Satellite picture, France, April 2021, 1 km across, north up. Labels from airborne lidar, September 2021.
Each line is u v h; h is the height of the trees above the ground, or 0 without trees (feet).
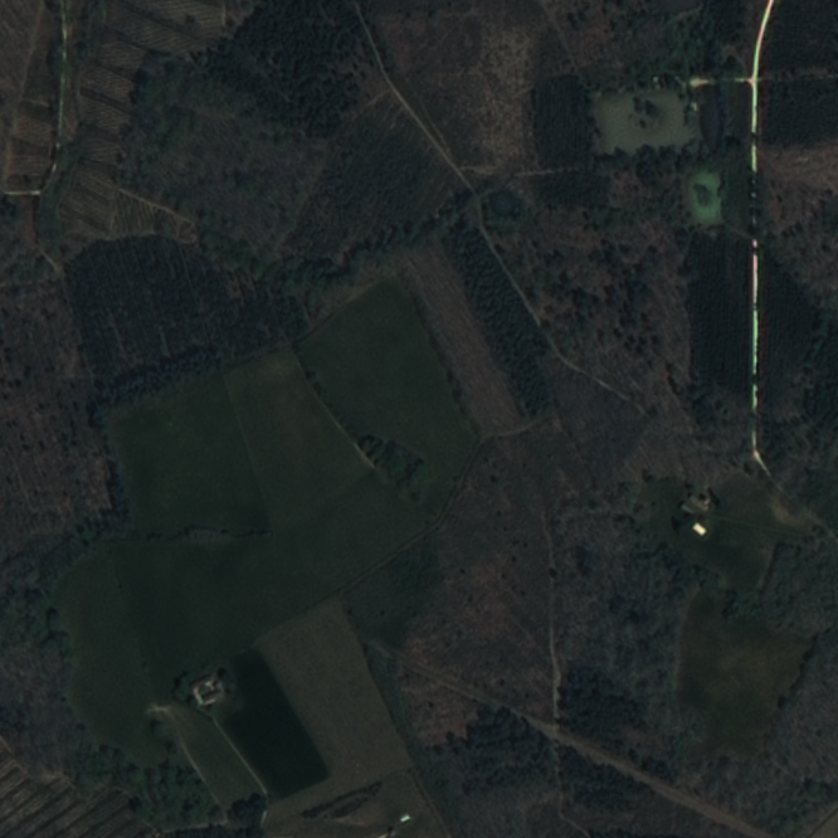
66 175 26
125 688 0
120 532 40
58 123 76
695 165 45
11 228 65
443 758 73
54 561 65
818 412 57
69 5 70
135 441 0
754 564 0
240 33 38
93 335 32
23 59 79
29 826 0
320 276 71
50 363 29
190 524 0
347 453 0
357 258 59
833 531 31
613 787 54
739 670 0
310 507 0
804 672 51
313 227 29
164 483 0
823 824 0
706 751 0
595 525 49
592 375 62
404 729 37
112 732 0
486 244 60
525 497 21
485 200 31
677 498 0
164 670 0
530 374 73
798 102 21
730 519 0
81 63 55
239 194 62
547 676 28
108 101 0
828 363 49
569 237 24
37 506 24
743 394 30
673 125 0
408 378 0
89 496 24
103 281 29
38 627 67
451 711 21
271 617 0
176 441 0
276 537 0
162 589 0
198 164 68
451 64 27
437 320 75
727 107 24
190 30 45
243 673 0
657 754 32
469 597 21
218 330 24
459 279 73
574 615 42
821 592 57
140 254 32
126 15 0
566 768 49
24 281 36
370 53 36
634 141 0
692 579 50
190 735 0
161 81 58
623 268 54
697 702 0
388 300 0
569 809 35
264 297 26
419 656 21
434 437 0
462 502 20
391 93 0
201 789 62
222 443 0
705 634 0
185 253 23
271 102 47
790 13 29
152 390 66
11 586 28
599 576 71
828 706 64
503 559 24
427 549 21
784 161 0
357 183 22
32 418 27
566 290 64
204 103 58
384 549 0
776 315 26
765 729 0
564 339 54
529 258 44
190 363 63
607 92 22
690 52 38
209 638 0
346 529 0
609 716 77
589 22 64
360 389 0
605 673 66
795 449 49
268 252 46
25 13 81
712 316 41
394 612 20
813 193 41
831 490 32
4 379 26
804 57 28
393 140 24
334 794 0
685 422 65
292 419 0
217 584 0
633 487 44
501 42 0
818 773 41
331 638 0
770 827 22
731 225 19
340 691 0
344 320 0
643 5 28
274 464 0
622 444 52
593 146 23
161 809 63
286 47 48
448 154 0
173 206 65
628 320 45
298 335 21
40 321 20
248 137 54
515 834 55
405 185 25
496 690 22
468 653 26
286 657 0
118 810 0
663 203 36
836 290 27
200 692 23
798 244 33
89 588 0
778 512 0
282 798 0
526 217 37
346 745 0
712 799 41
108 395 58
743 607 29
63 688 46
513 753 68
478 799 76
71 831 0
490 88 0
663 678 49
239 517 0
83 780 69
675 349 45
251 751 0
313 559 0
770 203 25
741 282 21
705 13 30
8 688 54
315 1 42
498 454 22
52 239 52
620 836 50
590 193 30
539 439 18
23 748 47
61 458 22
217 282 30
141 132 59
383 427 0
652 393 70
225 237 45
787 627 46
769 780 72
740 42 60
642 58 29
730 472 36
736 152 61
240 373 0
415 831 0
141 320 20
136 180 51
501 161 0
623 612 83
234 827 60
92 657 0
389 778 0
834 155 0
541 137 28
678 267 41
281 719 0
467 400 74
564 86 26
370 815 0
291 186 43
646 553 55
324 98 41
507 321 65
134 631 0
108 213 0
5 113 63
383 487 0
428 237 68
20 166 0
